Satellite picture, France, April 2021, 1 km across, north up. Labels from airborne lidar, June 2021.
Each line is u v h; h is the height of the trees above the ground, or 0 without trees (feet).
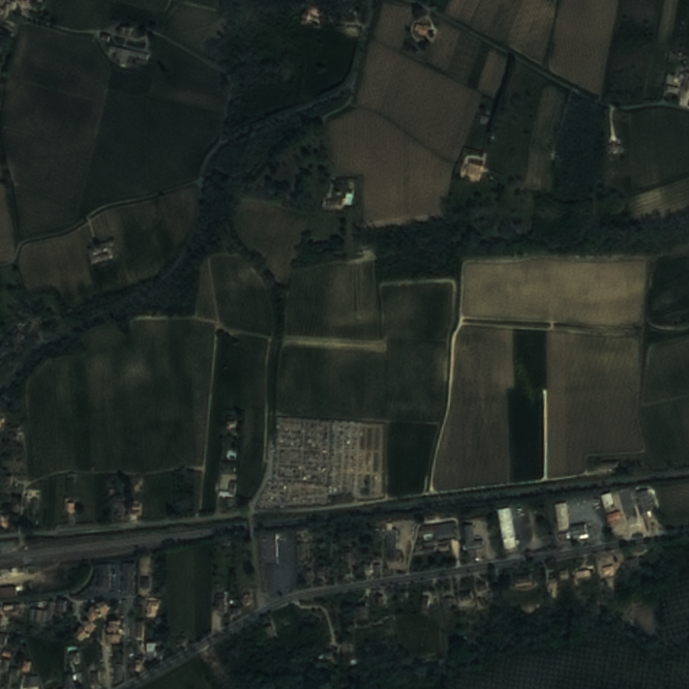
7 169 40
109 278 0
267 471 0
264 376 0
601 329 0
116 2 0
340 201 0
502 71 0
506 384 0
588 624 88
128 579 0
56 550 0
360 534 26
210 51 47
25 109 0
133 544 0
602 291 0
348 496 23
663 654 62
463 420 0
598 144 44
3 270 0
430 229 56
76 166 0
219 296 0
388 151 0
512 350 0
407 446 0
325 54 0
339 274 0
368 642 28
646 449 0
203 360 0
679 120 0
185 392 0
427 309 0
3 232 0
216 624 0
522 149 0
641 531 0
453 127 0
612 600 72
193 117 0
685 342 0
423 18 43
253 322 0
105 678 0
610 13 0
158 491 0
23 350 60
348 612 62
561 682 80
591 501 0
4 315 0
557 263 0
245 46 39
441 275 25
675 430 0
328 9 56
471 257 71
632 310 0
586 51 0
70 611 38
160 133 0
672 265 0
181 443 0
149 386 0
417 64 0
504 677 77
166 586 24
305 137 46
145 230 0
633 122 0
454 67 0
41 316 46
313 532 30
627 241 64
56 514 0
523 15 0
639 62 0
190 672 0
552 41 0
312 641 57
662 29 0
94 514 0
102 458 0
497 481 0
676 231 81
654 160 0
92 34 0
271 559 0
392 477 0
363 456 0
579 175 45
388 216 0
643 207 0
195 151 0
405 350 0
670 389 0
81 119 0
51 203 0
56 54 0
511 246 66
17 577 0
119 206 0
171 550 43
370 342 0
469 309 0
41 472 0
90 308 61
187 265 56
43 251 0
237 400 0
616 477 21
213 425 0
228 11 67
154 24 26
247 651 29
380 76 0
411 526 0
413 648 0
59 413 0
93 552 0
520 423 0
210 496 0
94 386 0
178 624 0
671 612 92
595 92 0
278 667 30
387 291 0
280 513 32
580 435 0
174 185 0
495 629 63
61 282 0
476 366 0
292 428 0
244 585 0
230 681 0
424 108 0
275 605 0
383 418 0
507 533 0
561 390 0
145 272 0
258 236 0
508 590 53
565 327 0
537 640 76
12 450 22
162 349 0
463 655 68
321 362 0
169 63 0
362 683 54
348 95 24
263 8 50
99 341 0
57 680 0
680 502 0
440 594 39
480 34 0
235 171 50
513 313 0
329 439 0
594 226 56
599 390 0
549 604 47
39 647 0
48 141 0
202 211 33
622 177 0
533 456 0
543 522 49
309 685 76
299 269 36
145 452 0
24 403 48
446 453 0
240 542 53
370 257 0
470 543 0
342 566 33
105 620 21
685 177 0
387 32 0
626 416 0
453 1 0
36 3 38
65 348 55
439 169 0
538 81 0
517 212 26
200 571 0
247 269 0
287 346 0
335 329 0
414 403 0
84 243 0
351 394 0
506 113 44
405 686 45
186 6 0
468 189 0
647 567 50
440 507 46
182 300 48
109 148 0
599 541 0
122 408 0
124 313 64
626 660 83
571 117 52
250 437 0
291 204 37
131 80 0
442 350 0
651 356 0
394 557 0
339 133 0
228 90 56
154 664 25
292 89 0
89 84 0
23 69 0
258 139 36
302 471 0
